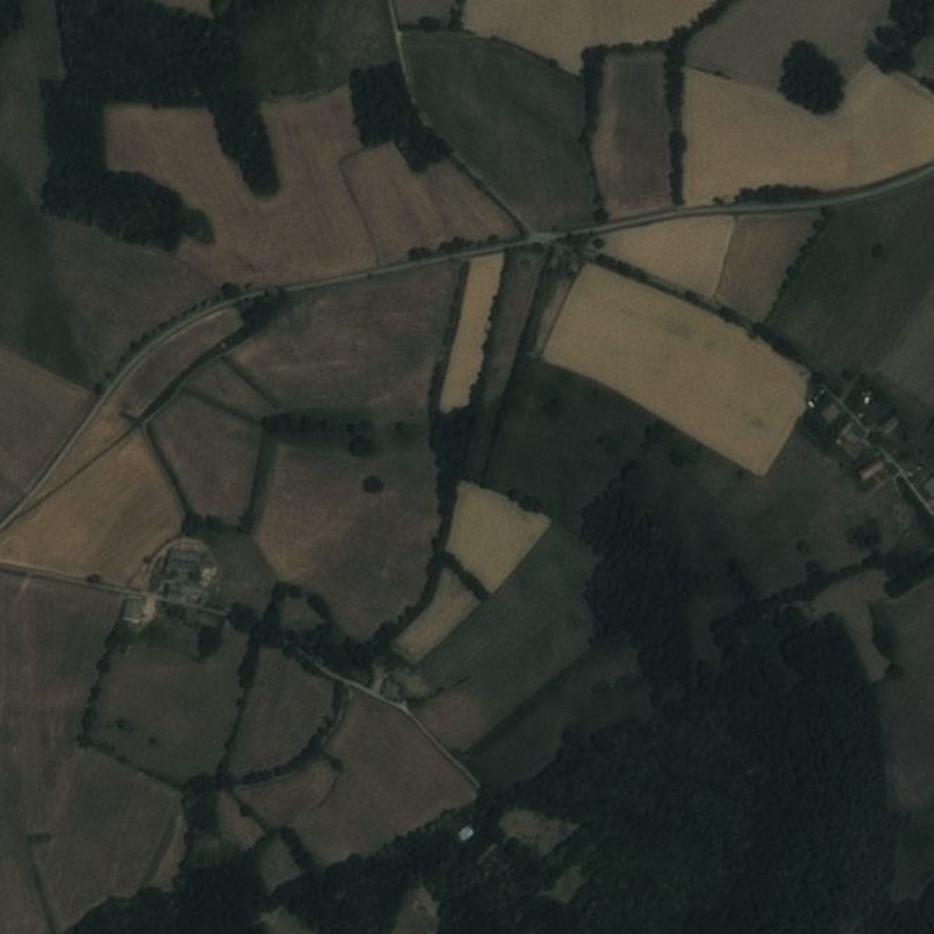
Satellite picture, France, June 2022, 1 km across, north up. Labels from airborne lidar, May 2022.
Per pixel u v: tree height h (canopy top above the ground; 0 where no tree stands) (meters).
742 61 0
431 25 16
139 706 0
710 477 0
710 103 0
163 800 0
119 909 15
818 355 0
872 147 0
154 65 18
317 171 0
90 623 0
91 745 10
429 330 0
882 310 0
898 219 0
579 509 0
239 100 20
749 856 15
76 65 17
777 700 23
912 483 6
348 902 16
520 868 6
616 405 0
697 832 18
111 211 16
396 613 0
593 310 0
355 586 0
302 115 0
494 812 15
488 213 0
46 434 0
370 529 0
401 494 0
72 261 0
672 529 0
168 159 0
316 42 0
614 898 16
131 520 0
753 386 0
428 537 0
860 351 0
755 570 0
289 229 0
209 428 0
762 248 0
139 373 0
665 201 0
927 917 12
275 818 0
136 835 0
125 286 0
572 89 0
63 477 0
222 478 0
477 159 0
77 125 6
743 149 0
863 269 0
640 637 18
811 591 14
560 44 0
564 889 0
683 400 0
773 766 12
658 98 0
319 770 0
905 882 0
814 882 16
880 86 0
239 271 0
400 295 0
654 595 21
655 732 14
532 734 0
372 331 0
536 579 0
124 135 0
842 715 13
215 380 0
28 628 0
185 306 0
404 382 0
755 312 0
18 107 0
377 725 0
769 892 28
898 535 0
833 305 0
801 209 0
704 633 0
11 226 0
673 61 16
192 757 0
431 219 0
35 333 0
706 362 0
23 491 0
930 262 0
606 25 0
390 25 0
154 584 0
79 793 0
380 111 19
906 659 0
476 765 0
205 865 0
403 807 0
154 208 17
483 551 0
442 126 0
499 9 0
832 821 19
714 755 14
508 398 8
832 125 0
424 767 0
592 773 15
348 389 0
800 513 0
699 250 0
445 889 10
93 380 0
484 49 0
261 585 0
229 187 0
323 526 0
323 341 0
